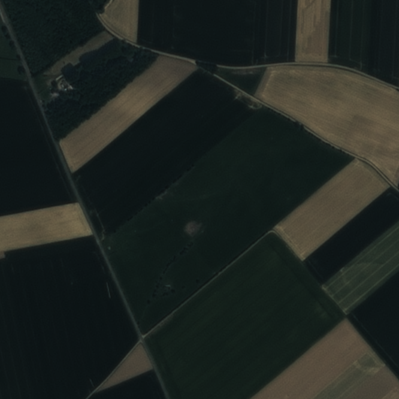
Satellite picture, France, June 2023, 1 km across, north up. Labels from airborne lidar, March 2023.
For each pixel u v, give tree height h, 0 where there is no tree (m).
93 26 11
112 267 0
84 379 0
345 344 0
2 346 0
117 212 0
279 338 0
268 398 0
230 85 0
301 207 0
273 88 0
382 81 0
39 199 0
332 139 0
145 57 18
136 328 0
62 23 13
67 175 0
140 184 0
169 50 0
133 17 0
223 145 0
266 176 0
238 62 0
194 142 0
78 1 15
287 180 0
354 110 0
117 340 0
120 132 0
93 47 0
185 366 0
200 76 0
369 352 0
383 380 0
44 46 15
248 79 0
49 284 0
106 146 0
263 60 0
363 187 0
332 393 0
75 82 21
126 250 0
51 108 18
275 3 0
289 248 0
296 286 0
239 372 0
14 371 0
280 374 0
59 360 0
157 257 0
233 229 0
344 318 0
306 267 0
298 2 0
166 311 0
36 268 0
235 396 0
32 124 0
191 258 0
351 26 0
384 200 0
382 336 0
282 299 0
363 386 0
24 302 0
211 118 0
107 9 0
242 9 0
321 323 0
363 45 0
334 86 0
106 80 21
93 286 0
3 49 0
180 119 0
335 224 0
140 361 0
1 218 0
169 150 0
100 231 0
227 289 0
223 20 0
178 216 0
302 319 0
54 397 0
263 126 0
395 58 0
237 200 0
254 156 0
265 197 0
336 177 0
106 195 0
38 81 0
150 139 0
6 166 0
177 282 0
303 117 0
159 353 0
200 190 0
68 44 11
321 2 0
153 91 0
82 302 0
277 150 0
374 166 0
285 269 0
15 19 17
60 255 0
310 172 0
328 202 0
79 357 0
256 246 0
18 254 0
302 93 0
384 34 0
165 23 0
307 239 0
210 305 0
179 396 0
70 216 0
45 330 0
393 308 0
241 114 0
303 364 0
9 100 0
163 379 0
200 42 0
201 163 0
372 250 0
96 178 0
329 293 0
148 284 0
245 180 0
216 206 0
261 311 0
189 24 0
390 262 0
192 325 0
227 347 0
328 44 0
